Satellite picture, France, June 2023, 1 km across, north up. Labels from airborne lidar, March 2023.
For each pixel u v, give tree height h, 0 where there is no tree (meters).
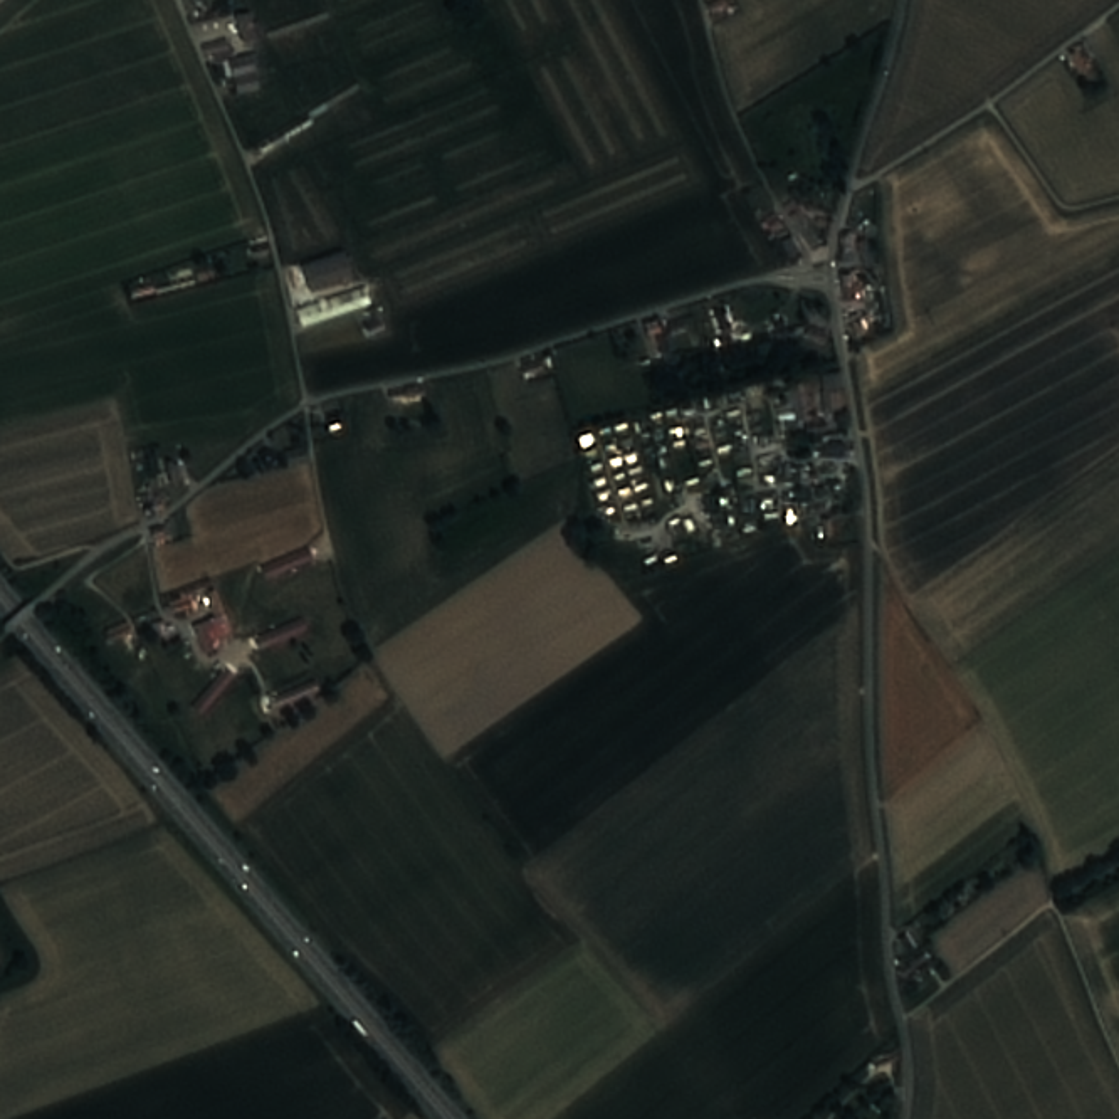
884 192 0
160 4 0
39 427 0
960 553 0
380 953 0
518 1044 0
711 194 0
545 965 0
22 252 0
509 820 0
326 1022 0
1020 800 0
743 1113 0
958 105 0
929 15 0
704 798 0
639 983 0
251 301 0
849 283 0
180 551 0
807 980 0
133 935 0
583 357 0
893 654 0
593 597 0
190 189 0
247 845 0
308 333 0
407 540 0
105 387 0
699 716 0
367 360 0
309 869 0
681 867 0
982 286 0
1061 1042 0
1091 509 0
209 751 0
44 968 0
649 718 0
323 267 0
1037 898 0
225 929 0
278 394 0
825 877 0
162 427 0
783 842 0
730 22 0
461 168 0
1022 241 0
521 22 0
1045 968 0
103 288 0
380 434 0
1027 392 0
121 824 0
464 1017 0
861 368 0
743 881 0
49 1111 0
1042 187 0
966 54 0
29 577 0
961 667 0
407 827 0
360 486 0
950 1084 0
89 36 0
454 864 0
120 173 0
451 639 0
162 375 0
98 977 0
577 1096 0
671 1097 0
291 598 0
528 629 0
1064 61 0
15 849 0
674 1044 0
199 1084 0
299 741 0
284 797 0
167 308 0
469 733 0
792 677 0
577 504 0
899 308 0
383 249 0
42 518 0
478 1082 0
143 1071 0
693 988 0
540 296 0
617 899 0
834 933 0
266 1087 0
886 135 0
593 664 0
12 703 0
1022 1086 0
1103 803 0
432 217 0
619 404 0
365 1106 0
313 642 0
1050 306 0
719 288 0
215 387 0
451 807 0
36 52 0
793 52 0
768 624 0
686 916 0
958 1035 0
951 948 0
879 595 0
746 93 0
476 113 0
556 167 0
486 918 0
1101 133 0
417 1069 0
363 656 14
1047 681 0
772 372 12
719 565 0
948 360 0
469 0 18
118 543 0
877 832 0
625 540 0
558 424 0
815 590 0
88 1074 0
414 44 0
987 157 0
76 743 0
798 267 0
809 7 0
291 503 0
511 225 0
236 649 0
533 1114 0
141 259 0
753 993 0
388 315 0
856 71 0
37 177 0
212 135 0
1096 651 0
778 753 0
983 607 0
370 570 0
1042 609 0
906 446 0
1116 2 0
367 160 0
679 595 0
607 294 0
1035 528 0
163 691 0
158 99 0
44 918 0
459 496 0
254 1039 0
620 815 0
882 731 0
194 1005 0
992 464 0
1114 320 0
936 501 0
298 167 0
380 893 0
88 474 0
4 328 0
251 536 0
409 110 0
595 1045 0
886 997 0
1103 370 0
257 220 0
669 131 0
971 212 0
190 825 0
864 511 0
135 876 0
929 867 0
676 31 0
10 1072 0
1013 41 0
